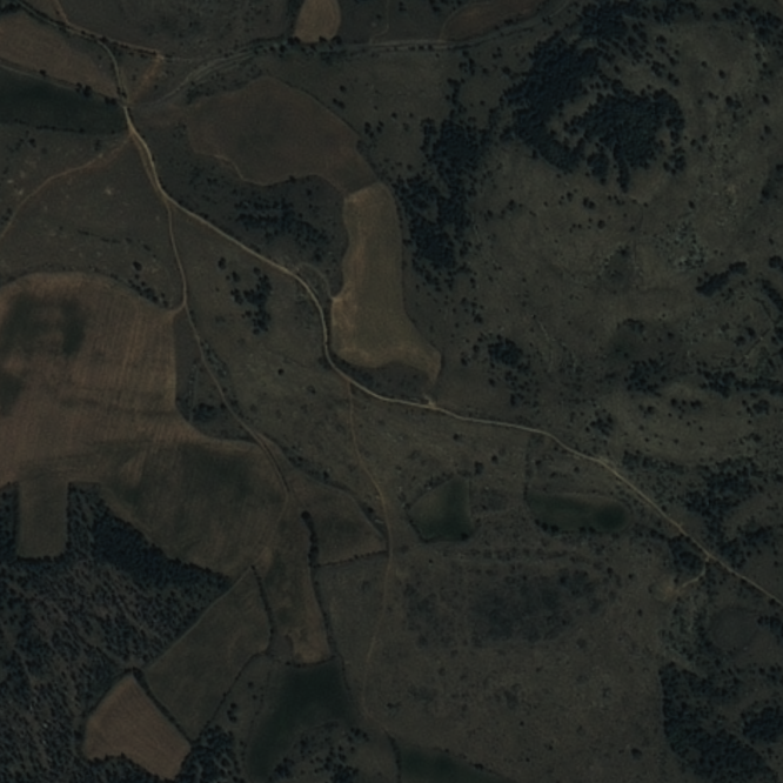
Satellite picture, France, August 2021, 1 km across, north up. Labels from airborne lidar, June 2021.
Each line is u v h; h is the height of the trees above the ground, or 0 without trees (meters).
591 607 0
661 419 0
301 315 0
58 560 6
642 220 0
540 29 0
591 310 0
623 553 0
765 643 0
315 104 0
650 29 0
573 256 0
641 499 0
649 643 0
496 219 0
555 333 0
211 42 0
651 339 0
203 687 0
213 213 0
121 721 0
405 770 0
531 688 0
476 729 0
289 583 0
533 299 0
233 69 0
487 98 0
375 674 0
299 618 0
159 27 0
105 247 0
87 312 0
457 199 6
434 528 0
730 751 7
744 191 0
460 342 0
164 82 0
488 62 0
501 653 0
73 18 0
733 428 0
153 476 0
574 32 0
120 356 0
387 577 0
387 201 0
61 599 15
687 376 0
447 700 0
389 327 0
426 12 0
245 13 0
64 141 0
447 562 0
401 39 0
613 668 0
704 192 0
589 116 9
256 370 0
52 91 0
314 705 0
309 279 0
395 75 0
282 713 0
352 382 0
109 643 13
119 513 0
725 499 8
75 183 0
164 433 0
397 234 0
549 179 0
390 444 0
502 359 9
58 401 0
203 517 0
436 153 5
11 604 9
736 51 0
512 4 0
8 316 0
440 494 0
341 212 0
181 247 0
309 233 6
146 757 0
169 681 0
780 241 0
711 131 0
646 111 12
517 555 0
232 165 0
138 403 0
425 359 0
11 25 0
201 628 0
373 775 0
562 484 0
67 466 0
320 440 0
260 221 8
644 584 0
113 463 0
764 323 0
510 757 0
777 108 0
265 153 0
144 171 0
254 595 0
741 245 0
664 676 6
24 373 0
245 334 0
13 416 0
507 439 0
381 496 0
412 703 0
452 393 0
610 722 0
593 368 0
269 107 0
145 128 0
